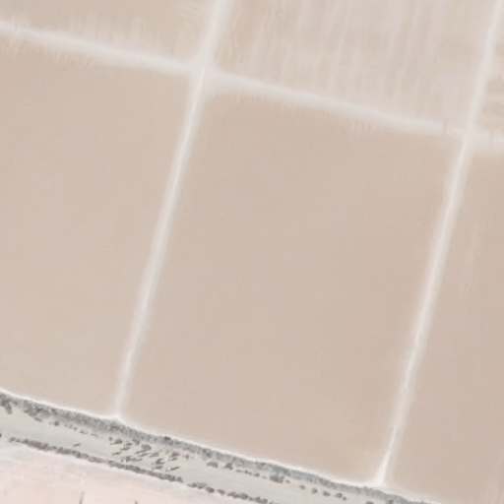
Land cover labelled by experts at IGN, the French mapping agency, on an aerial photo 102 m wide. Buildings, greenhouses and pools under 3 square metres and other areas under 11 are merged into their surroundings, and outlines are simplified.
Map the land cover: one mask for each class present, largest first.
<instances>
[{"label":"water","instance_id":"1","mask_svg":"<svg viewBox=\"0 0 504 504\"><path fill-rule=\"evenodd\" d=\"M0 394L16 400H28L31 404L45 408L81 413L104 421H116L140 433L171 437L175 441L205 447L246 461L272 463L289 471L309 472L348 486L378 488L382 492L402 496L411 502L427 504H504V0H0ZM0 504H256L230 496L209 494L205 490L191 486H183L181 482L159 480L148 474L114 469L108 465L89 463L85 459L69 455L8 443L0 439Z\"/></svg>","mask_w":504,"mask_h":504},{"label":"herbaceous vegetation","instance_id":"2","mask_svg":"<svg viewBox=\"0 0 504 504\"><path fill-rule=\"evenodd\" d=\"M0 406L8 413L12 408L24 409L35 421H41L43 417H53V425H87L93 431L106 433L112 445H120L114 453H110V459H102L83 453L81 443H73L69 449L24 437H10L8 443L69 455L85 459L89 463L108 465L114 469L148 474L159 480L181 482L183 478L175 476L179 469L177 459H191L193 455H201L213 469H232L240 474L272 482H283L285 476L295 480H307L311 484H321L323 496L329 498L346 500L345 492H350L358 496H374L386 504H427L411 502L402 496L382 492L378 488L348 486L309 472L289 471L272 463L246 461L205 447L175 441L171 437L140 433L116 421H104L81 413L45 408L31 404L28 400H16L0 394ZM205 490L209 494L230 496L256 504H278L274 500L246 492L213 488L207 482H191V486Z\"/></svg>","mask_w":504,"mask_h":504},{"label":"pervious surface","instance_id":"3","mask_svg":"<svg viewBox=\"0 0 504 504\"><path fill-rule=\"evenodd\" d=\"M10 437H24L69 449L73 443H81L83 453L102 459H110V453H114L120 445H112L106 433L93 431L87 425H53V417H43L41 421H35L24 409L12 408L8 413L0 406V439L8 443ZM179 469L175 476L183 478L181 482L183 486H191V482H207L213 488L246 492L274 500L278 504H386L374 496H358L350 492H345L346 500L329 498L323 496L321 484H311L307 480H295L285 476L283 482H272L240 474L232 469H213L201 455H193L191 459H177Z\"/></svg>","mask_w":504,"mask_h":504}]
</instances>
